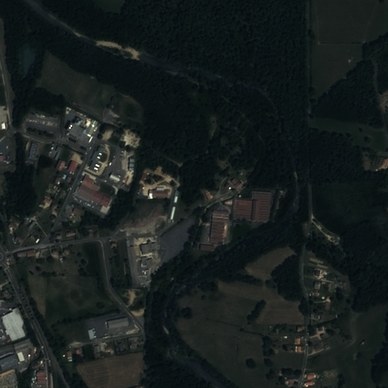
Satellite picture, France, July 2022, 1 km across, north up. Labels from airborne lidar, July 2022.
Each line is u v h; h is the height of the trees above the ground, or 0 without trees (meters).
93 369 0
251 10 24
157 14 6
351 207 0
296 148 27
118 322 0
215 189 26
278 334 0
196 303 0
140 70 23
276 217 12
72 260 0
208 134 10
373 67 15
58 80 0
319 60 0
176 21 26
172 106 20
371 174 19
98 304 6
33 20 10
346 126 0
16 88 19
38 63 13
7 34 12
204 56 14
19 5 15
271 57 23
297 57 24
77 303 0
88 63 21
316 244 15
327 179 9
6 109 0
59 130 0
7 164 0
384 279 21
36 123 0
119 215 13
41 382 0
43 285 0
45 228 0
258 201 0
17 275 0
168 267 14
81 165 0
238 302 0
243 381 0
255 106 35
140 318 0
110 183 0
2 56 0
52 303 0
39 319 19
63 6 22
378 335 0
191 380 24
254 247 28
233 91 22
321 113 22
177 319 14
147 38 11
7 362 0
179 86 13
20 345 0
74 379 7
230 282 16
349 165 24
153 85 22
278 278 21
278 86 29
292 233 22
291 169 14
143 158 13
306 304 22
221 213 0
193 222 0
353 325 0
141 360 0
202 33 13
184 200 8
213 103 7
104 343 0
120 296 0
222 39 19
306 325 0
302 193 13
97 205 0
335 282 0
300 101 20
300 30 22
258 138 7
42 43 17
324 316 0
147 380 9
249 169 13
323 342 0
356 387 0
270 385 0
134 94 22
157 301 21
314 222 15
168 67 0
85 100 0
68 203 0
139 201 8
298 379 0
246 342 0
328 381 0
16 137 10
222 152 15
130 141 0
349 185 20
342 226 7
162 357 18
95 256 0
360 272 31
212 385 12
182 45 23
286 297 21
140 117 0
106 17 13
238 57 21
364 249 16
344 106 20
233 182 0
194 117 25
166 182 0
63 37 15
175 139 19
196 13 10
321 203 5
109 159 0
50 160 9
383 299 27
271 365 17
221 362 0
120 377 0
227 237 0
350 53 0
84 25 18
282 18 25
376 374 20
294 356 0
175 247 0
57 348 18
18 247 0
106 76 24
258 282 9
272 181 21
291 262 23
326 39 0
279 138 21
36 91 12
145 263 0
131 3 31
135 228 0
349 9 0
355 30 0
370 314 0
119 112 0
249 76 25
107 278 0
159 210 0
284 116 21
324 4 0
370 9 0
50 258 13
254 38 22
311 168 21
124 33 27
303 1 18
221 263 21
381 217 0
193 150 19
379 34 0
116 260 8
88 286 0
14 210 18
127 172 0
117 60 22
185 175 13
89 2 16
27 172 15
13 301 6
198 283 18
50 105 9
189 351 15
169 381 28
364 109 19
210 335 0
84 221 12
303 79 25
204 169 20
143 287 0
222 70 23
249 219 0
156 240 0
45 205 0
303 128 24
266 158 10
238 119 23
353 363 0
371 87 13
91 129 0
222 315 0
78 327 0
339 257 24
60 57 18
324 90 0
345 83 17
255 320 14
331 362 0
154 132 9
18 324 0
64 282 0
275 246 22
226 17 22
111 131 0
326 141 22
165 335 20
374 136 0
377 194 7
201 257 9
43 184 0
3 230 8
